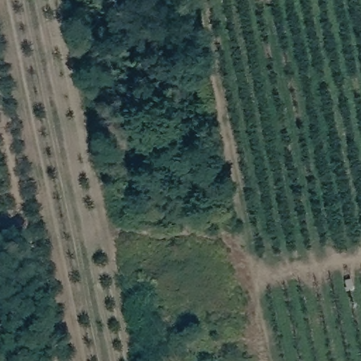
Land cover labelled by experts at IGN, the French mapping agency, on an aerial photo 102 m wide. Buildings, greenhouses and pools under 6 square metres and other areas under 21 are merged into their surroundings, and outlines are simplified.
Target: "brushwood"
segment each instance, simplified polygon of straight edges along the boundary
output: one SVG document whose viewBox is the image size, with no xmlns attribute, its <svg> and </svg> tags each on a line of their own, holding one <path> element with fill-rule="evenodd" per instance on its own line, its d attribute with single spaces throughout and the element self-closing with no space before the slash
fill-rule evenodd
<svg viewBox="0 0 361 361">
<path fill-rule="evenodd" d="M 175 235 L 172 238 L 151 238 L 141 234 L 120 231 L 114 243 L 117 288 L 121 293 L 140 282 L 151 283 L 157 292 L 154 307 L 164 306 L 161 313 L 164 322 L 168 322 L 169 326 L 175 324 L 179 331 L 190 323 L 199 323 L 202 326 L 199 338 L 186 343 L 185 358 L 180 360 L 179 357 L 164 357 L 161 361 L 258 361 L 257 355 L 247 353 L 248 345 L 243 341 L 245 324 L 250 322 L 248 316 L 244 316 L 244 307 L 248 305 L 250 293 L 241 288 L 240 282 L 234 278 L 230 248 L 221 240 L 219 231 L 216 234 L 209 234 L 206 238 L 190 233 Z"/>
</svg>

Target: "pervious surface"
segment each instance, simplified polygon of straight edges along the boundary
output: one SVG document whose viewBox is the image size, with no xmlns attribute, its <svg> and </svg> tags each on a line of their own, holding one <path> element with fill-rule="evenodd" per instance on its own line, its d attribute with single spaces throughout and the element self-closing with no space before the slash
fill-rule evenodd
<svg viewBox="0 0 361 361">
<path fill-rule="evenodd" d="M 299 279 L 302 285 L 306 285 L 316 295 L 323 289 L 323 283 L 333 281 L 333 272 L 337 271 L 343 265 L 354 269 L 361 267 L 361 248 L 357 247 L 354 254 L 334 251 L 322 261 L 317 261 L 316 255 L 310 250 L 309 250 L 309 259 L 306 262 L 279 262 L 276 267 L 268 267 L 258 259 L 251 265 L 248 269 L 254 290 L 261 296 L 264 295 L 267 285 L 278 286 L 279 282 L 289 279 Z"/>
</svg>

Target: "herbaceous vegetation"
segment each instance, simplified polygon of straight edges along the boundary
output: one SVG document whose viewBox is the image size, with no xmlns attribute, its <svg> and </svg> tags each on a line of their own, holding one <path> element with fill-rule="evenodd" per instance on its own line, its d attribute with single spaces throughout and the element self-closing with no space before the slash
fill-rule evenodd
<svg viewBox="0 0 361 361">
<path fill-rule="evenodd" d="M 206 238 L 209 234 L 185 226 L 183 230 L 173 228 L 171 233 L 161 233 L 164 227 L 148 227 L 141 230 L 141 234 L 151 238 L 172 238 L 175 235 L 190 233 Z"/>
<path fill-rule="evenodd" d="M 355 272 L 361 274 L 361 267 L 354 269 L 343 265 L 337 271 L 344 275 L 347 290 L 355 289 Z"/>
<path fill-rule="evenodd" d="M 0 230 L 11 226 L 17 230 L 28 228 L 28 221 L 20 216 L 23 212 L 23 197 L 18 189 L 18 176 L 14 168 L 17 158 L 27 157 L 31 162 L 30 176 L 37 186 L 35 197 L 41 204 L 39 213 L 51 237 L 51 259 L 55 264 L 55 276 L 62 283 L 62 292 L 56 295 L 56 302 L 63 305 L 63 322 L 68 327 L 71 344 L 75 347 L 72 361 L 118 361 L 120 358 L 127 358 L 128 354 L 127 323 L 121 313 L 121 293 L 117 288 L 114 243 L 120 231 L 120 227 L 110 223 L 107 217 L 102 182 L 89 162 L 89 152 L 92 151 L 90 142 L 96 133 L 103 133 L 106 138 L 113 134 L 118 147 L 126 149 L 124 164 L 127 172 L 133 176 L 137 175 L 138 169 L 144 164 L 144 155 L 135 154 L 134 142 L 127 142 L 126 131 L 120 128 L 123 116 L 120 113 L 133 107 L 141 111 L 149 102 L 154 109 L 162 109 L 164 102 L 175 100 L 175 94 L 166 96 L 165 90 L 176 89 L 176 85 L 151 79 L 144 69 L 130 68 L 126 66 L 126 62 L 141 62 L 142 59 L 151 58 L 159 51 L 162 51 L 165 59 L 171 58 L 178 52 L 178 47 L 168 49 L 159 41 L 147 41 L 144 52 L 137 52 L 137 49 L 131 47 L 128 55 L 123 58 L 103 61 L 100 56 L 93 55 L 90 51 L 86 52 L 83 48 L 66 47 L 61 34 L 61 23 L 68 21 L 69 18 L 79 18 L 83 24 L 92 28 L 96 41 L 104 42 L 111 37 L 107 24 L 109 11 L 127 0 L 0 0 L 0 25 L 1 34 L 4 34 L 7 41 L 4 62 L 10 63 L 10 75 L 17 83 L 13 89 L 13 97 L 17 100 L 18 117 L 23 120 L 21 138 L 24 140 L 23 151 L 13 154 L 13 140 L 6 128 L 10 118 L 4 114 L 4 106 L 0 104 L 0 135 L 3 138 L 1 152 L 6 155 L 11 183 L 10 188 L 0 188 Z M 72 71 L 85 69 L 86 66 L 97 66 L 104 72 L 116 69 L 117 80 L 114 80 L 113 86 L 102 87 L 99 96 L 92 92 L 79 92 L 78 87 L 73 85 Z"/>
<path fill-rule="evenodd" d="M 212 23 L 210 23 L 210 7 L 209 4 L 207 4 L 209 3 L 209 1 L 207 0 L 200 0 L 202 1 L 202 4 L 204 6 L 202 8 L 202 20 L 195 21 L 195 27 L 199 28 L 199 30 L 202 30 L 203 27 L 207 28 L 207 30 L 212 30 Z"/>
<path fill-rule="evenodd" d="M 227 162 L 214 180 L 226 183 L 226 179 L 231 175 L 231 179 L 237 185 L 233 202 L 238 219 L 243 221 L 243 230 L 238 234 L 219 231 L 221 240 L 230 248 L 234 278 L 240 282 L 241 288 L 250 293 L 248 305 L 244 307 L 244 316 L 248 316 L 250 322 L 245 324 L 243 341 L 248 345 L 247 353 L 257 355 L 258 361 L 272 361 L 271 344 L 275 341 L 271 337 L 271 327 L 264 319 L 261 296 L 254 290 L 248 269 L 251 265 L 258 259 L 268 267 L 276 267 L 279 262 L 306 262 L 309 259 L 309 250 L 303 248 L 299 252 L 286 251 L 278 254 L 272 252 L 271 255 L 264 252 L 261 258 L 255 255 L 254 233 L 244 200 L 244 180 L 238 165 L 237 145 L 221 85 L 220 56 L 214 47 L 214 42 L 220 42 L 221 37 L 210 39 L 213 42 L 210 51 L 213 65 L 210 68 L 210 79 L 216 99 L 217 116 L 203 118 L 193 130 L 183 135 L 183 145 L 193 151 L 195 141 L 199 141 L 197 134 L 206 124 L 212 128 L 220 126 L 224 159 Z"/>
<path fill-rule="evenodd" d="M 310 250 L 316 255 L 317 261 L 322 261 L 334 251 L 354 254 L 357 247 L 361 248 L 361 237 L 348 237 L 347 234 L 334 244 L 333 241 L 326 241 L 326 247 L 320 244 L 317 237 L 316 240 L 310 241 Z"/>
</svg>

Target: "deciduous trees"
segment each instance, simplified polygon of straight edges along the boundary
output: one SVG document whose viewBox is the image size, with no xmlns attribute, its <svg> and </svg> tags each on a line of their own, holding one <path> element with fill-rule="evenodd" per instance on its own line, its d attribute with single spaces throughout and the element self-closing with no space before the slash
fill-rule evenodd
<svg viewBox="0 0 361 361">
<path fill-rule="evenodd" d="M 3 138 L 0 135 L 0 188 L 10 188 L 11 183 L 6 155 L 1 152 Z"/>
<path fill-rule="evenodd" d="M 161 233 L 171 233 L 173 228 L 183 230 L 185 226 L 209 234 L 216 234 L 219 231 L 238 234 L 243 230 L 243 221 L 238 219 L 233 202 L 237 185 L 231 179 L 231 175 L 226 179 L 226 183 L 214 180 L 227 162 L 224 159 L 220 126 L 212 128 L 206 124 L 197 134 L 199 141 L 195 141 L 193 151 L 183 145 L 183 135 L 193 130 L 203 118 L 217 116 L 216 99 L 210 79 L 210 68 L 213 65 L 210 51 L 213 42 L 210 39 L 221 37 L 220 42 L 214 42 L 214 47 L 220 56 L 221 85 L 237 145 L 238 165 L 244 180 L 244 200 L 254 233 L 255 255 L 261 258 L 264 252 L 271 255 L 272 252 L 278 254 L 286 251 L 299 252 L 303 248 L 309 250 L 310 250 L 310 241 L 316 240 L 317 237 L 320 244 L 326 247 L 326 241 L 333 241 L 334 244 L 347 234 L 348 237 L 361 237 L 361 0 L 207 0 L 209 1 L 209 3 L 207 4 L 209 4 L 210 7 L 210 23 L 212 23 L 212 30 L 207 30 L 207 28 L 203 27 L 202 30 L 199 30 L 199 28 L 195 27 L 195 21 L 202 20 L 202 8 L 204 6 L 202 4 L 202 1 L 200 0 L 127 0 L 109 11 L 107 24 L 111 37 L 104 42 L 96 41 L 92 28 L 83 24 L 79 18 L 69 18 L 68 21 L 61 23 L 61 34 L 66 47 L 83 48 L 86 52 L 90 51 L 93 55 L 100 56 L 103 61 L 123 58 L 128 55 L 131 47 L 137 49 L 137 52 L 144 52 L 147 41 L 159 41 L 168 49 L 178 47 L 178 52 L 171 58 L 165 59 L 162 51 L 159 51 L 151 58 L 142 59 L 141 62 L 126 62 L 126 66 L 130 68 L 144 69 L 151 79 L 176 85 L 176 89 L 165 90 L 166 96 L 175 94 L 175 100 L 164 102 L 162 109 L 154 109 L 149 102 L 141 111 L 133 107 L 120 113 L 123 116 L 120 128 L 126 131 L 127 142 L 134 142 L 135 154 L 144 155 L 144 164 L 138 169 L 137 175 L 133 176 L 127 172 L 124 164 L 126 149 L 118 147 L 113 134 L 106 138 L 103 133 L 96 133 L 90 142 L 92 151 L 89 152 L 89 162 L 102 182 L 107 217 L 110 223 L 120 227 L 120 231 L 141 234 L 141 230 L 148 227 L 164 227 Z"/>
<path fill-rule="evenodd" d="M 75 347 L 71 344 L 68 327 L 63 322 L 63 305 L 56 302 L 56 295 L 62 292 L 62 283 L 55 276 L 55 264 L 51 259 L 51 237 L 39 213 L 41 204 L 35 197 L 37 186 L 30 176 L 31 162 L 27 157 L 17 158 L 14 168 L 18 176 L 18 189 L 23 197 L 23 212 L 20 216 L 28 221 L 28 228 L 17 230 L 11 226 L 0 230 L 0 361 L 72 361 Z"/>
<path fill-rule="evenodd" d="M 261 296 L 264 319 L 271 327 L 271 337 L 275 341 L 271 344 L 272 361 L 361 361 L 361 274 L 355 272 L 355 289 L 347 290 L 344 275 L 337 271 L 333 272 L 333 281 L 323 283 L 323 289 L 316 295 L 306 285 L 302 285 L 299 279 L 289 279 L 279 282 L 278 286 L 267 285 L 264 295 Z"/>
<path fill-rule="evenodd" d="M 92 92 L 99 96 L 102 87 L 113 86 L 114 80 L 117 80 L 116 69 L 104 72 L 97 66 L 86 66 L 85 69 L 72 71 L 73 85 L 78 87 L 79 92 Z"/>
<path fill-rule="evenodd" d="M 161 313 L 164 306 L 154 307 L 157 292 L 151 283 L 140 282 L 121 293 L 121 313 L 127 323 L 128 354 L 127 358 L 120 358 L 118 361 L 161 361 L 164 357 L 179 357 L 180 360 L 185 358 L 186 343 L 199 338 L 202 326 L 199 323 L 190 323 L 179 331 L 175 324 L 169 326 L 168 322 L 164 322 Z"/>
<path fill-rule="evenodd" d="M 13 154 L 23 151 L 24 140 L 21 138 L 23 120 L 18 117 L 17 100 L 13 97 L 13 89 L 17 83 L 10 75 L 10 63 L 4 62 L 7 41 L 4 34 L 1 34 L 0 25 L 0 104 L 4 106 L 4 114 L 10 118 L 6 128 L 13 140 Z"/>
</svg>

